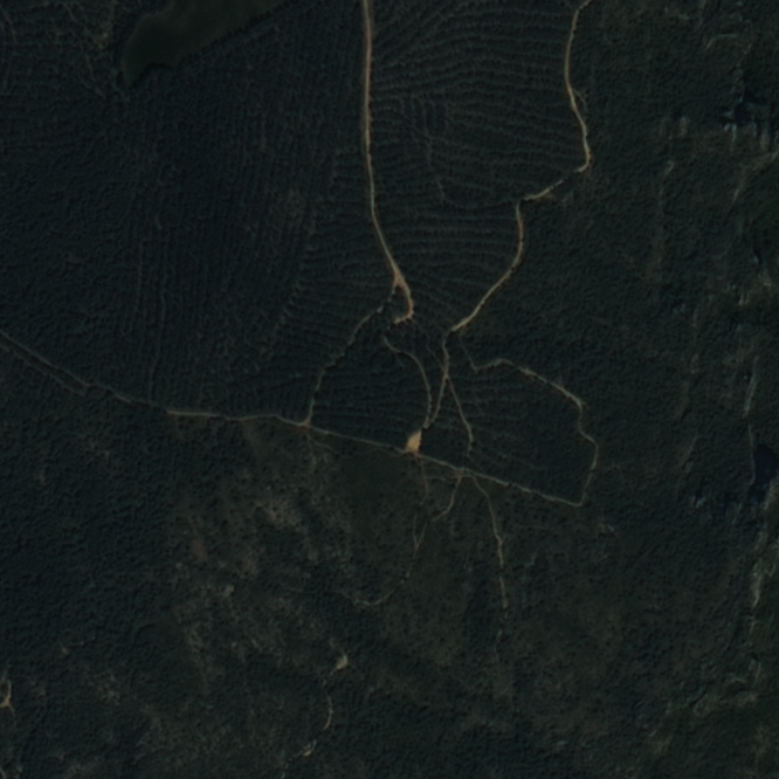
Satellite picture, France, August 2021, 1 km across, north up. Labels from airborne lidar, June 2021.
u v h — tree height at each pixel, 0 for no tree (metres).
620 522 7
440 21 7
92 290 8
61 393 8
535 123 9
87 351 8
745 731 6
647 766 11
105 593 6
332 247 7
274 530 7
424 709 6
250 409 11
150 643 6
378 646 11
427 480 0
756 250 13
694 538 7
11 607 6
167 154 11
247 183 11
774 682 7
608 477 7
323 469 0
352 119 10
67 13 9
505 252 7
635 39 9
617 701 8
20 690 6
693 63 11
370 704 6
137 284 11
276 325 9
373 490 0
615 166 8
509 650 8
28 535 10
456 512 6
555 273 7
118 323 10
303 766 6
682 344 9
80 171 14
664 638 9
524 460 9
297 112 11
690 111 6
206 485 7
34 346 8
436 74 8
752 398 9
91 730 7
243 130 10
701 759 9
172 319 9
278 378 15
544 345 10
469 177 7
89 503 10
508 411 7
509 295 8
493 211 9
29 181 7
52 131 12
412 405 10
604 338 10
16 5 9
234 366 10
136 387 8
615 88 8
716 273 6
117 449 9
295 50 8
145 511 7
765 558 7
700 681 10
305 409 9
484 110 7
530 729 6
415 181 12
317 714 7
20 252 11
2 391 7
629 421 6
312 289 10
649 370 9
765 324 16
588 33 7
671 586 7
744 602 7
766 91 12
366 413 7
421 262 6
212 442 8
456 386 9
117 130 10
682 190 8
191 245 12
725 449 11
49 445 6
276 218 8
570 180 9
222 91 11
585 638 7
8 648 9
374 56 8
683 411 15
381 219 8
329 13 9
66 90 13
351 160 8
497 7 8
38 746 9
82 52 7
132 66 0
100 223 9
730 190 6
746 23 55
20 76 9
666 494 9
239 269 11
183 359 9
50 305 11
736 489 8
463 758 9
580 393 8
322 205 9
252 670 8
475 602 7
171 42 0
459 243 9
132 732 6
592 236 6
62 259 7
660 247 13
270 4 0
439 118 10
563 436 8
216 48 10
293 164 10
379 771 7
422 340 14
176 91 13
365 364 10
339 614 8
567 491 9
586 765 7
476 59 8
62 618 9
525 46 6
